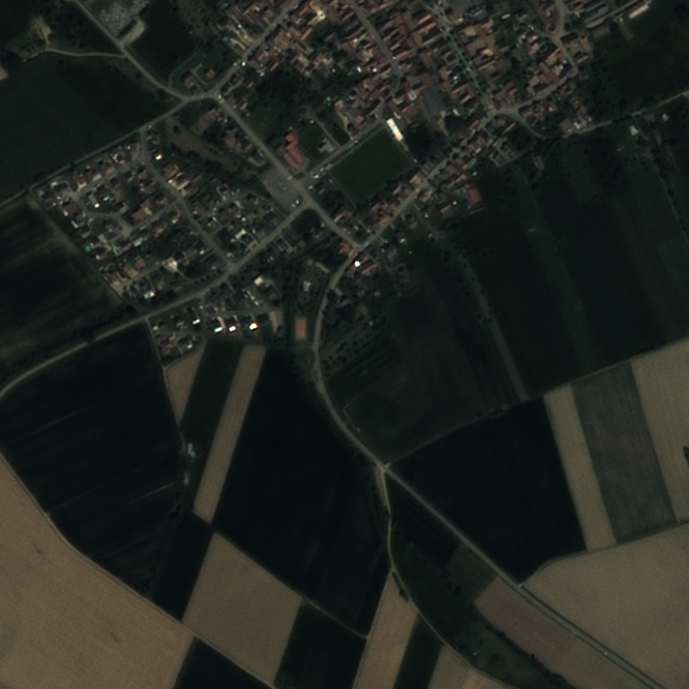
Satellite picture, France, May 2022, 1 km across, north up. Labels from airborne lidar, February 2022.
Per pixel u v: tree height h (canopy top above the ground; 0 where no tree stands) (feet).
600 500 0
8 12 0
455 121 52
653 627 0
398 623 0
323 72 21
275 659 0
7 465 0
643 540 0
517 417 0
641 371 0
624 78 0
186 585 0
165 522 0
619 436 0
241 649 0
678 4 0
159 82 0
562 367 0
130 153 0
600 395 0
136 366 0
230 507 0
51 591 0
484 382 0
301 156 0
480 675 0
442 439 0
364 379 0
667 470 0
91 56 0
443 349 0
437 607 0
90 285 0
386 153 0
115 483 0
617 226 0
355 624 0
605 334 0
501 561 0
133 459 0
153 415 0
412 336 0
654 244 0
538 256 0
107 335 0
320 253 25
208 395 0
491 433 0
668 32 0
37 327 0
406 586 0
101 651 0
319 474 0
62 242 0
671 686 0
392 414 0
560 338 0
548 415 0
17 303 0
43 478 0
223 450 0
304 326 0
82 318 0
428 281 0
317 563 0
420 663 0
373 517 0
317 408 0
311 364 0
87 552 0
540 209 0
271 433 0
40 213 0
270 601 0
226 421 0
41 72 0
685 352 0
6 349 0
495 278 0
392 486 0
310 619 0
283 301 20
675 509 0
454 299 0
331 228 0
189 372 0
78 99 0
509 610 0
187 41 0
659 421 0
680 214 20
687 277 0
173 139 0
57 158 0
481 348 0
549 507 0
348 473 0
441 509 0
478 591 0
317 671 0
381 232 0
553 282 0
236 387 0
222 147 19
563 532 0
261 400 0
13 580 0
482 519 0
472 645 0
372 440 0
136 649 0
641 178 0
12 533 0
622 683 0
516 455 0
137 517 0
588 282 0
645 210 0
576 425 0
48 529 0
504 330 0
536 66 0
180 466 0
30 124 0
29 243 0
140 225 0
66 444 0
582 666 0
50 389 0
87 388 0
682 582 0
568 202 0
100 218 0
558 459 0
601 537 0
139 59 0
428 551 0
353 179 0
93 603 0
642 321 0
